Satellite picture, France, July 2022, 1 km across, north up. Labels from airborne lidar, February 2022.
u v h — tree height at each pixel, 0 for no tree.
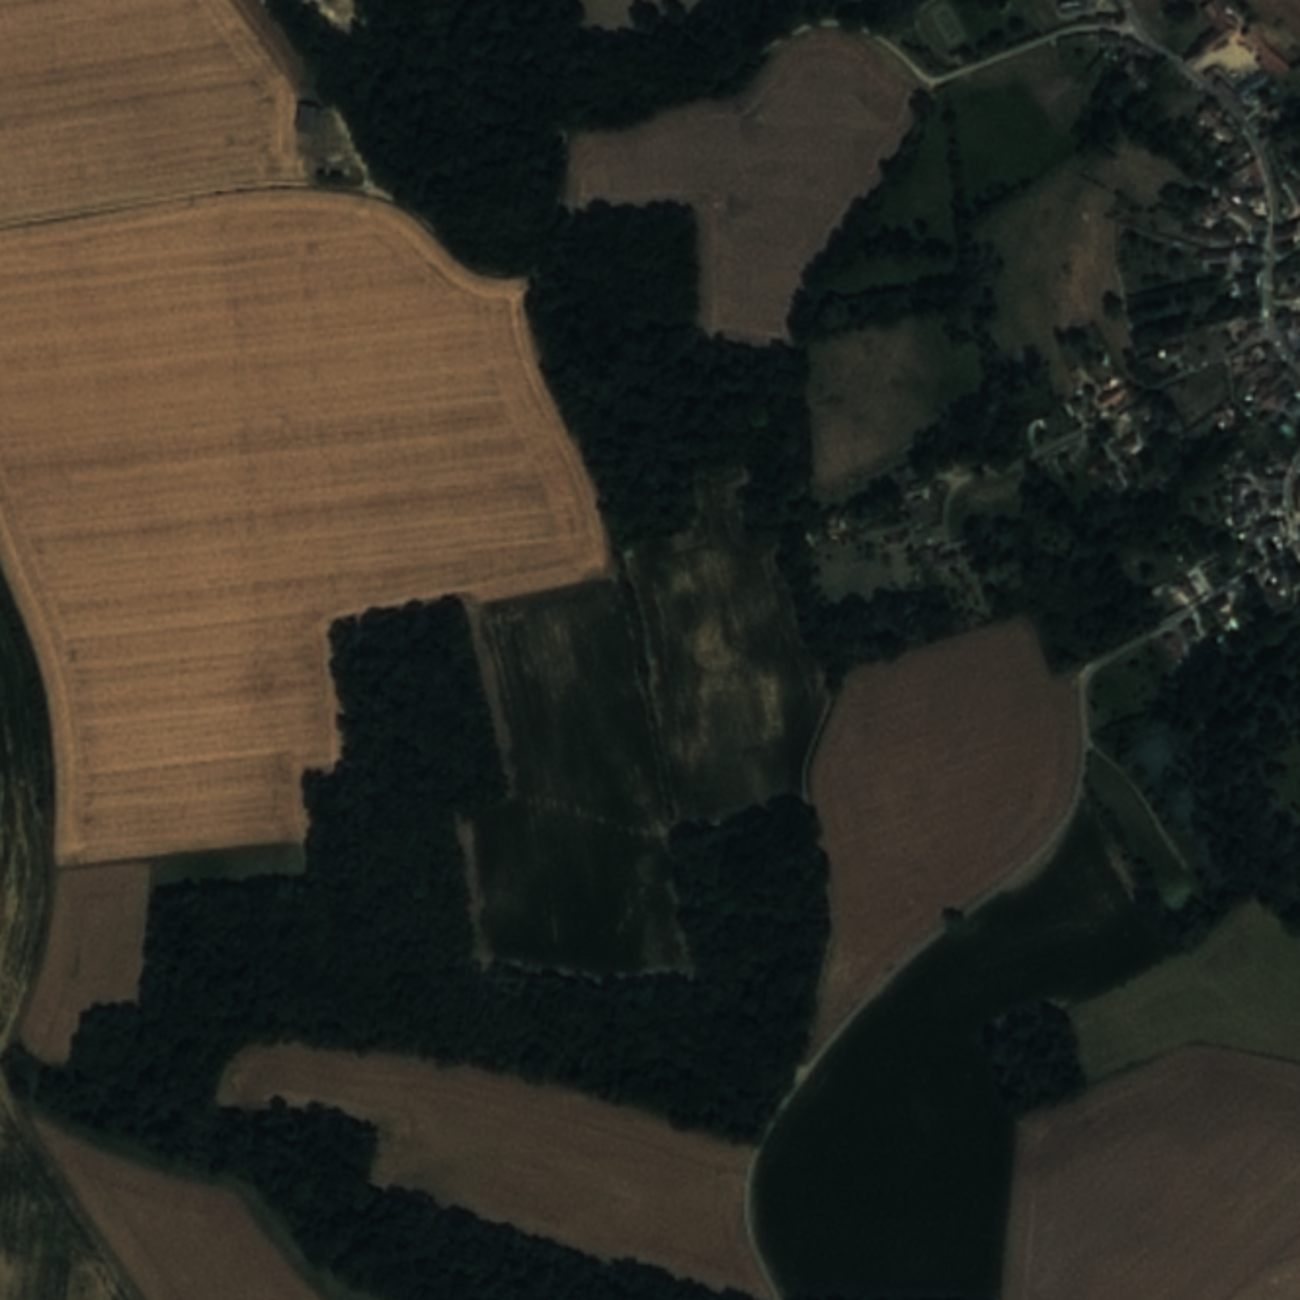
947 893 0
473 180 16
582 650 0
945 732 0
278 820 0
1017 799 0
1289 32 0
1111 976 0
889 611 20
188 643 0
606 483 13
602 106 20
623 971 0
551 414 0
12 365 0
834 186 0
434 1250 24
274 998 24
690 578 0
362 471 0
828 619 20
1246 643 14
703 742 0
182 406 0
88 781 0
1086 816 0
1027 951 0
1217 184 7
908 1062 0
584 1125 0
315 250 0
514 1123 0
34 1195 0
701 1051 24
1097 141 20
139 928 0
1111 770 0
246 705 0
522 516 0
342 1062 0
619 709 0
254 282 0
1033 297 0
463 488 0
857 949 0
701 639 0
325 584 0
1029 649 0
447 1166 0
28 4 0
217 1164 18
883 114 0
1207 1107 0
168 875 0
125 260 0
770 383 22
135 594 0
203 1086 15
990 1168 0
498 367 0
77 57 0
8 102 0
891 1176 0
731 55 24
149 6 0
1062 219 0
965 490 0
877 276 0
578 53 28
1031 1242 0
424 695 21
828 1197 0
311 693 0
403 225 0
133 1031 18
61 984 0
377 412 0
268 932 20
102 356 0
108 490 0
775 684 0
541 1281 25
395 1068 0
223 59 0
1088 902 0
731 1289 0
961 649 0
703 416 20
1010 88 0
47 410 0
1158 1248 0
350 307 0
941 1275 0
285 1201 12
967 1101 0
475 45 26
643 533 16
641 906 0
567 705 0
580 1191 0
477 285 0
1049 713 0
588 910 0
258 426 0
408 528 0
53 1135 0
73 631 0
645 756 0
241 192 0
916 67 0
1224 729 28
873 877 0
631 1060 13
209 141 0
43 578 0
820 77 0
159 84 0
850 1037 0
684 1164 0
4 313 0
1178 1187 0
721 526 0
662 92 22
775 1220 0
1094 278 0
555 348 16
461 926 17
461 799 18
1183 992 0
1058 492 10
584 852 0
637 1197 0
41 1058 0
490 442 0
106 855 0
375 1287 6
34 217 0
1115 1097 0
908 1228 0
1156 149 9
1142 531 10
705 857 20
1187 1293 0
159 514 0
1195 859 0
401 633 20
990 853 0
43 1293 0
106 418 0
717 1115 19
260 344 0
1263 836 28
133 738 0
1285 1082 0
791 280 0
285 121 0
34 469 0
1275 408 0
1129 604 18
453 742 21
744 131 0
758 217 0
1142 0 0
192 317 0
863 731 0
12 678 0
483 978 17
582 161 0
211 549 0
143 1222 0
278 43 0
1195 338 0
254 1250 0
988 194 0
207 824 0
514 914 0
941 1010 0
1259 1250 0
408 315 0
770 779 0
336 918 18
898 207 0
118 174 0
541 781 0
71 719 0
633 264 15
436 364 0
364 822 22
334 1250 19
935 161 0
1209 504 10
